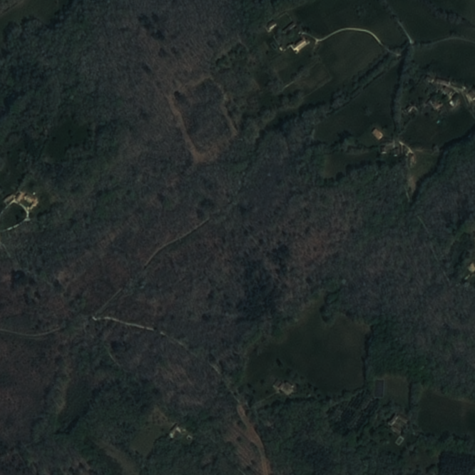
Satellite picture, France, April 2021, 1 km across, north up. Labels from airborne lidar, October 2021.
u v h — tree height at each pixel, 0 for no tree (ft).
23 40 74
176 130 47
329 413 25
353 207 54
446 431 0
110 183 52
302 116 64
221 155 34
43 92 43
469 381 77
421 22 0
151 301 61
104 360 52
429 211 63
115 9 59
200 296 22
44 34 67
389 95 0
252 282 45
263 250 41
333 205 61
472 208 69
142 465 54
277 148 62
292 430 85
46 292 37
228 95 92
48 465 61
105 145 78
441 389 61
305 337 0
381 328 60
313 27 0
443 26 0
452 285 64
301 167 69
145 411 81
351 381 0
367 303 69
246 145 81
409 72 54
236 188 56
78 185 79
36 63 82
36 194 40
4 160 39
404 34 23
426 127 0
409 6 0
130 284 51
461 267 49
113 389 78
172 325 37
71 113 37
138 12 43
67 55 70
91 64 83
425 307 67
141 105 62
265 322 40
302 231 32
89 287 24
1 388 21
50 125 52
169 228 30
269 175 53
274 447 86
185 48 67
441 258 52
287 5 79
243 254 47
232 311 33
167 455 45
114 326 34
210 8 65
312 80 0
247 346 79
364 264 74
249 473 51
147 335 30
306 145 44
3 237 64
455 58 0
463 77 0
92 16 82
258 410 50
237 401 61
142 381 44
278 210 30
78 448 71
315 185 53
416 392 68
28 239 50
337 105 62
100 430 68
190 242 25
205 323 31
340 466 50
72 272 67
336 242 66
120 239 33
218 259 21
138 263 33
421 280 64
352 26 0
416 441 46
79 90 89
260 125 75
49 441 80
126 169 52
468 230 59
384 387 0
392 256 60
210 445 52
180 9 73
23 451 82
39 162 26
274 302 52
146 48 57
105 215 84
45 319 31
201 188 65
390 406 36
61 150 0
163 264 19
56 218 75
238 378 70
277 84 68
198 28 69
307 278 58
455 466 45
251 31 68
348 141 62
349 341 0
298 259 35
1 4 59
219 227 21
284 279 40
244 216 71
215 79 69
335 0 0
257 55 71
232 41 64
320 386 0
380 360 81
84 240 60
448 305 55
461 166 76
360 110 0
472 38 0
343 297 71
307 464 84
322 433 87
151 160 40
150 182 70
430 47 33
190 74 44
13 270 30
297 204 65
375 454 40
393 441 0
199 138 51
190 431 40
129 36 55
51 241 73
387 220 76
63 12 20
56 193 74
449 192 47
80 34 72
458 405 0
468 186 75
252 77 45
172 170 64
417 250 60
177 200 71
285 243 27
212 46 68
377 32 0
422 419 0
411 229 62
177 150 49
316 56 34
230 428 40
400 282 65
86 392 28
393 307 64
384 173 82
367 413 20
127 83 67
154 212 53
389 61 56
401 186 63
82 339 30
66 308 23
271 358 0
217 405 54
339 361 0
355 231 52
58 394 74
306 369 0
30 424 24
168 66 56
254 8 79
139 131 62
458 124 0
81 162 69
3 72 74
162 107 68
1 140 76
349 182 69
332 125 0
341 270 80
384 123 0
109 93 80
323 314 54
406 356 74
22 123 63
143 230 35
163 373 64
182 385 54
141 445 0
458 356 63
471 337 77
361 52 0
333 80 0
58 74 64
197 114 48
